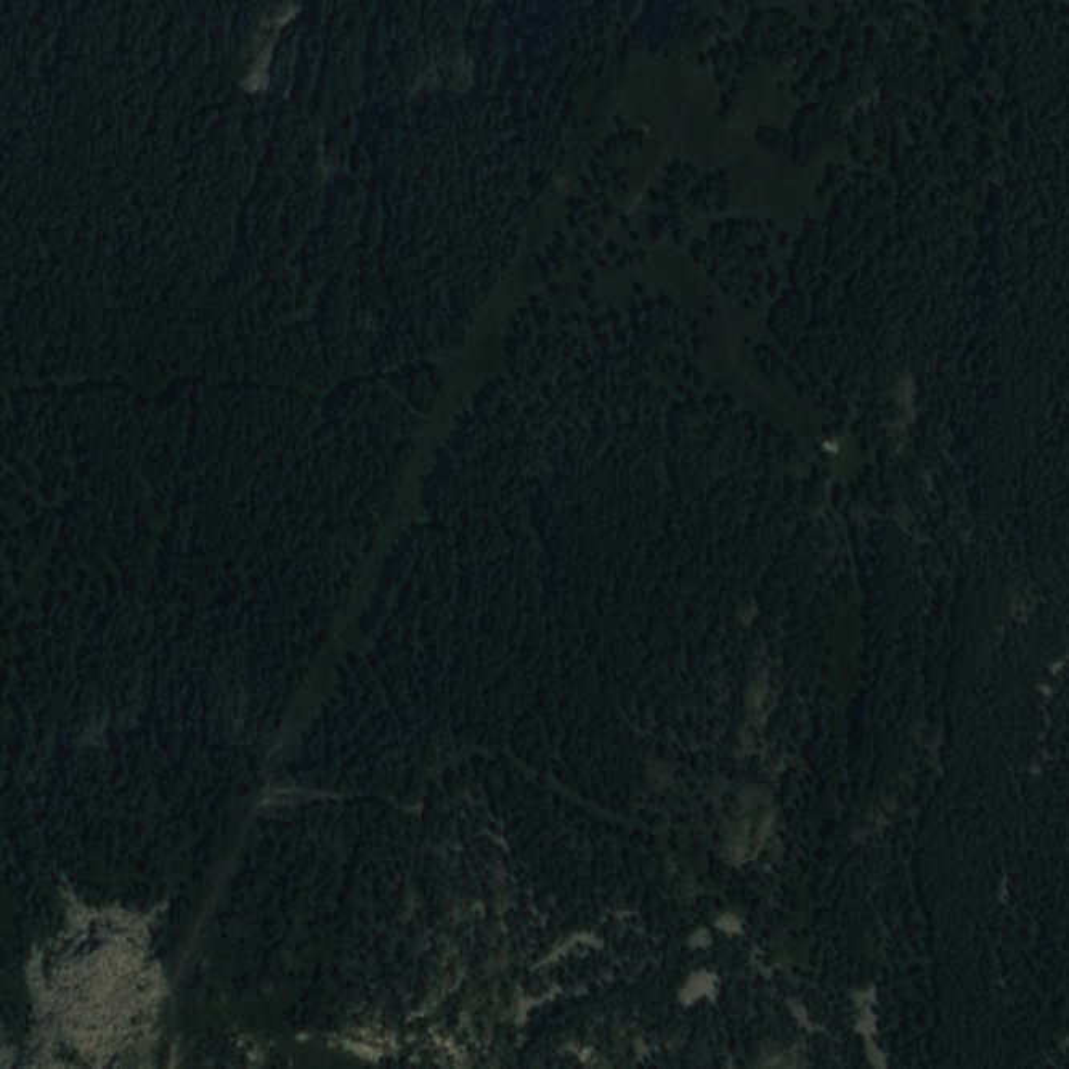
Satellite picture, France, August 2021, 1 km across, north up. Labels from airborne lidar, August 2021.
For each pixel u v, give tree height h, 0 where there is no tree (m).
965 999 20
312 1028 9
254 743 7
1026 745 21
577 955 12
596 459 20
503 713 20
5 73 27
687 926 11
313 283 21
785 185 0
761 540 17
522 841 18
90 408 26
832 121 17
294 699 16
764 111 0
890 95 19
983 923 21
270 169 16
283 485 28
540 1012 14
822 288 19
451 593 24
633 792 20
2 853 9
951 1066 17
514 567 26
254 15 14
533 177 8
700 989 0
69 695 22
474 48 10
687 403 6
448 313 21
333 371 20
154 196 24
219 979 0
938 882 19
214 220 20
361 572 8
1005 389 26
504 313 0
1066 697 21
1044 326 30
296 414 28
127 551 23
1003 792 21
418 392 27
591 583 23
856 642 0
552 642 26
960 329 22
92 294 27
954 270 23
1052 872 22
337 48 18
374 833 14
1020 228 19
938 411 27
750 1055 12
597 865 13
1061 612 23
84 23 29
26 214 20
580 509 22
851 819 16
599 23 28
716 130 0
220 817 15
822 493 16
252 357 27
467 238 22
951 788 23
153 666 7
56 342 27
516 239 16
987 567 25
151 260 26
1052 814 24
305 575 25
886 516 15
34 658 21
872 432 18
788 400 0
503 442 25
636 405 14
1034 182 10
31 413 24
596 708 22
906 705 24
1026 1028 23
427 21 14
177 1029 0
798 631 24
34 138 23
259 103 10
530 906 7
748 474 17
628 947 11
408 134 16
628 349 22
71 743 10
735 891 12
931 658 25
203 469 28
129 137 23
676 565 25
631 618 22
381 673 22
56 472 25
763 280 14
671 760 12
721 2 0
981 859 23
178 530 22
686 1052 7
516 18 18
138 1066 0
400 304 12
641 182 0
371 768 19
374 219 24
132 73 26
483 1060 9
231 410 27
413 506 0
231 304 22
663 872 11
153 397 0
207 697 17
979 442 34
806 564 23
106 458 26
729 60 19
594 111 0
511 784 19
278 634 20
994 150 15
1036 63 26
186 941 0
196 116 16
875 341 17
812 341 16
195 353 21
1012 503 24
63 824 10
